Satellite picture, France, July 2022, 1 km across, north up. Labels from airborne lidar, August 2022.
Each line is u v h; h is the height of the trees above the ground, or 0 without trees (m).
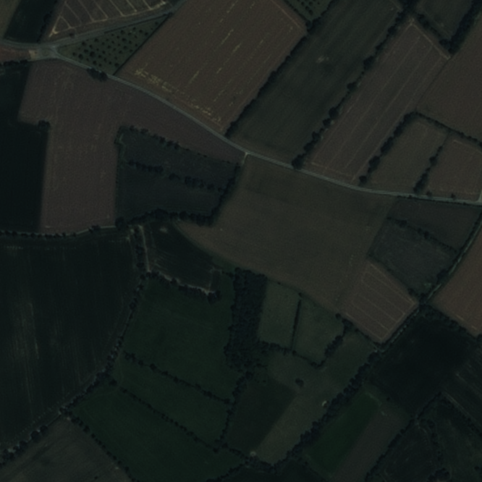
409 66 0
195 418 0
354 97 0
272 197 0
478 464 0
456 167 0
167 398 0
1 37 0
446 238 0
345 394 10
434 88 0
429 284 0
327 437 0
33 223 0
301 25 0
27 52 0
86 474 0
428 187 0
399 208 0
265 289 8
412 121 10
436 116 0
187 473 0
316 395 0
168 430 0
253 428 0
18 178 0
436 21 0
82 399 12
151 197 0
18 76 0
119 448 0
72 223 0
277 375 0
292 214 0
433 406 9
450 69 0
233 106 0
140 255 20
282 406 0
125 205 0
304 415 0
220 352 0
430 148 0
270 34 0
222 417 0
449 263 0
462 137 11
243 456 8
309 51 0
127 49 6
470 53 0
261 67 0
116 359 5
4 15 0
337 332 0
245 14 0
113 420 0
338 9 0
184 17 0
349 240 0
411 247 0
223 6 0
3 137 0
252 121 0
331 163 0
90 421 0
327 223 0
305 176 0
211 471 0
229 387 0
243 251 0
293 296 0
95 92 0
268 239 0
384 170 0
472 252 0
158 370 12
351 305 0
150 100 0
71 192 0
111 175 0
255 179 0
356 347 0
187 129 0
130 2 0
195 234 0
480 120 0
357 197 0
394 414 0
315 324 0
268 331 0
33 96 0
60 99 0
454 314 0
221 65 0
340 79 0
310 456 0
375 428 0
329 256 0
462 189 0
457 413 11
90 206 0
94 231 15
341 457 0
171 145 15
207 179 0
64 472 0
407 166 0
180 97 0
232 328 9
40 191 0
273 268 0
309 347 0
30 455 0
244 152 0
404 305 0
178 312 0
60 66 0
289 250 0
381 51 11
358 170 0
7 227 0
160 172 18
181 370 0
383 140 0
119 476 0
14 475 0
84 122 0
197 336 0
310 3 6
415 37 0
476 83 0
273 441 0
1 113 0
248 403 0
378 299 0
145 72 0
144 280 17
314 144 10
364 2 0
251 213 0
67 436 0
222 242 0
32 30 0
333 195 0
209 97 0
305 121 0
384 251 0
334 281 0
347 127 0
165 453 0
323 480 6
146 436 0
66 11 0
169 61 0
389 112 0
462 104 0
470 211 0
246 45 0
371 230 0
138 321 0
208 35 0
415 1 16
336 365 0
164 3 0
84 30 0
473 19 15
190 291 17
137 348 0
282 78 0
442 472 13
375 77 0
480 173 0
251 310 8
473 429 10
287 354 11
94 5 0
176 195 0
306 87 0
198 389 17
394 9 0
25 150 0
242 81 0
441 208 0
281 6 0
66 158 0
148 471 0
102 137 0
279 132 0
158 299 0
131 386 0
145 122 0
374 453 0
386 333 0
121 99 0
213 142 0
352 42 0
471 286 0
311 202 0
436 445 11
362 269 0
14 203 0
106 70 0
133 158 0
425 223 0
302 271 0
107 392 0
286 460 8
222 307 0
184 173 0
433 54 0
